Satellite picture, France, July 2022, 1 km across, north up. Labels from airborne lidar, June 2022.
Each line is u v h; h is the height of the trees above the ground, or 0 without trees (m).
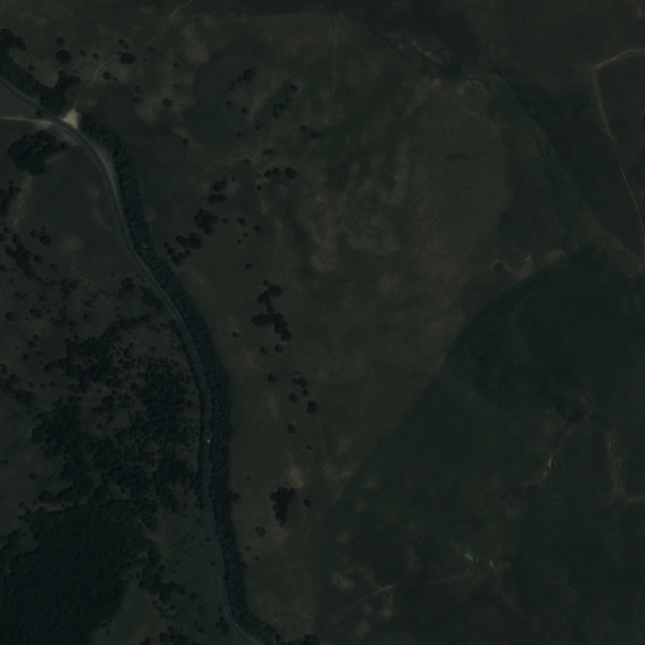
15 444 0
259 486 0
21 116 0
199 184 0
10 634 15
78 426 16
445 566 0
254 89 0
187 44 0
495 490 0
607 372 0
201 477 15
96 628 13
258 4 0
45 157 10
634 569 0
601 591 0
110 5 0
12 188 9
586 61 0
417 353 0
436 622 0
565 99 0
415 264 0
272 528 0
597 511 0
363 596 0
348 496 0
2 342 0
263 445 0
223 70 0
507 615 0
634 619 0
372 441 0
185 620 0
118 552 10
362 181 0
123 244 0
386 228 0
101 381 9
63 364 12
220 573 0
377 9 0
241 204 0
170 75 0
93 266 0
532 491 0
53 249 0
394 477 0
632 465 0
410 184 0
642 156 0
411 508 0
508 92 0
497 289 0
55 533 17
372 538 0
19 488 0
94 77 0
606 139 0
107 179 0
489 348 0
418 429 0
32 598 18
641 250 0
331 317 0
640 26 0
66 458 9
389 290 0
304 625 0
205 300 0
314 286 0
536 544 0
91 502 12
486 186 0
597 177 0
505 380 0
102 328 0
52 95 17
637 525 0
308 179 0
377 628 0
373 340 0
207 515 0
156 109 0
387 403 0
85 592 19
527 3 0
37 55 0
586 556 0
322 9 0
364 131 0
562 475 0
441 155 0
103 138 14
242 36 0
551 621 0
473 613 0
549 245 0
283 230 0
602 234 0
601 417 0
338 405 0
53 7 0
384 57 0
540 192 0
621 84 0
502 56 0
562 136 0
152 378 12
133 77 0
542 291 0
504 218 0
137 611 0
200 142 0
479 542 0
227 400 19
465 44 0
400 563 0
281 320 10
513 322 0
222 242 0
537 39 0
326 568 0
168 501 9
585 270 0
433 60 0
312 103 0
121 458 8
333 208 0
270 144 0
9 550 14
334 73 0
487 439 0
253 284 0
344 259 0
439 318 0
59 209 0
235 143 0
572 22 0
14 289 0
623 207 0
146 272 0
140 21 0
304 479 0
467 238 0
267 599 0
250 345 0
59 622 20
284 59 0
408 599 0
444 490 0
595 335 0
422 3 0
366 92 0
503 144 0
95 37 0
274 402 0
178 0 0
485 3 0
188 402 7
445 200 0
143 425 9
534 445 0
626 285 0
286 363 0
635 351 0
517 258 0
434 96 0
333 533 0
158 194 0
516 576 0
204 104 0
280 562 0
